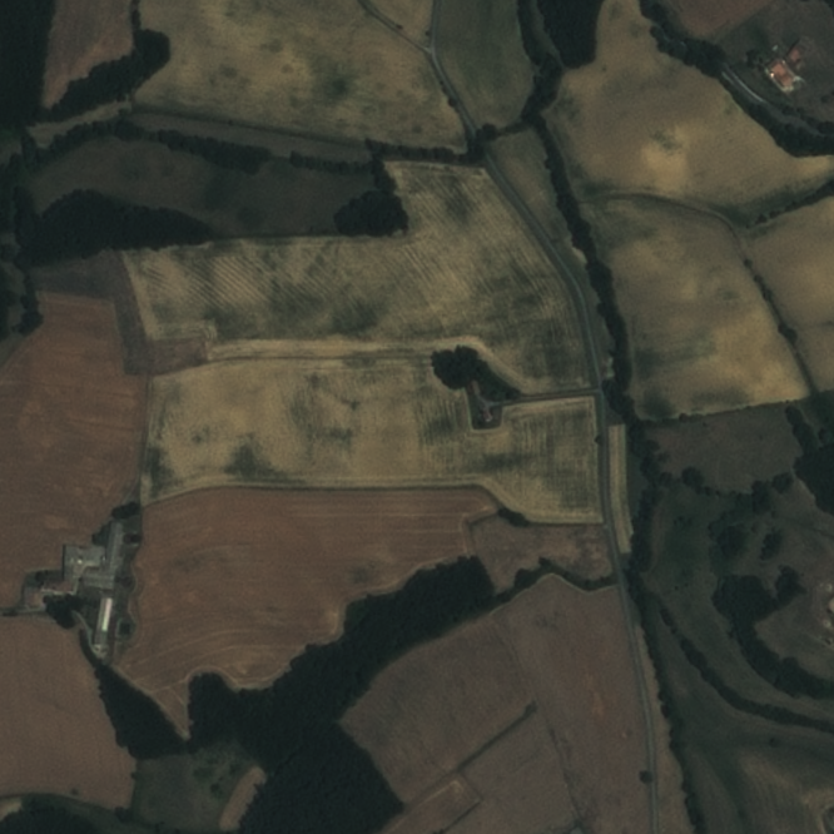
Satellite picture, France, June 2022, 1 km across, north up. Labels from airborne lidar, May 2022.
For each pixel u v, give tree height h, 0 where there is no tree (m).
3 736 0
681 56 14
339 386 0
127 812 24
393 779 0
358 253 0
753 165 0
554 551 0
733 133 0
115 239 16
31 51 12
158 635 0
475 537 0
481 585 25
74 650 0
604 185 0
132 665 0
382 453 0
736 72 5
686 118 0
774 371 0
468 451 0
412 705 0
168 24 0
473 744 0
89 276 0
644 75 0
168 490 0
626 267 0
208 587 0
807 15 0
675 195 0
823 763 0
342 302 0
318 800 19
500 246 0
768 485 6
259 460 0
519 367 0
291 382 0
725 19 0
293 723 23
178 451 0
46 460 0
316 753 23
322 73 0
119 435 0
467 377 20
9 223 27
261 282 0
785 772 0
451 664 0
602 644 0
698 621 0
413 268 0
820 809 0
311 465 0
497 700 0
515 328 0
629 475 0
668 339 0
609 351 0
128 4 0
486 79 0
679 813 0
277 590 0
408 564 0
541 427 0
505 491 0
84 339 0
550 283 0
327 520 0
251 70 0
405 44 0
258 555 0
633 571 10
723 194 0
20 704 0
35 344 0
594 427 0
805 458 13
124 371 0
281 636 0
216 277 0
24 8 10
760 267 0
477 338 0
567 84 0
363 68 0
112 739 0
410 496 0
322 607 0
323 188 0
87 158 0
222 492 0
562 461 0
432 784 0
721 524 9
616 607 0
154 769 0
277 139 0
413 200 0
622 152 0
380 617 19
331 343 0
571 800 0
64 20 0
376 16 0
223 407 0
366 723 0
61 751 0
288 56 0
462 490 0
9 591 0
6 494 0
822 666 0
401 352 0
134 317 0
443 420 0
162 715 12
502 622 0
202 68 0
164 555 0
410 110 0
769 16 0
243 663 0
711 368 0
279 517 0
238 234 0
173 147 13
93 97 19
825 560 0
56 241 18
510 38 0
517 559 0
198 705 19
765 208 0
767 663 19
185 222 21
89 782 0
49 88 0
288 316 0
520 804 0
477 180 0
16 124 6
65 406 0
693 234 0
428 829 0
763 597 16
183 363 0
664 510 0
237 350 0
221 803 0
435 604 23
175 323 0
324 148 0
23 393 0
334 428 0
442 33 0
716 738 0
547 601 0
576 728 0
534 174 0
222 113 0
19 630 0
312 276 0
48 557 0
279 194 0
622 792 0
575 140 0
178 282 0
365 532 0
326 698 19
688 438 0
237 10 0
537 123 19
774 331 0
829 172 0
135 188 0
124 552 0
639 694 0
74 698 0
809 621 0
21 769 0
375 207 26
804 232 0
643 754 0
